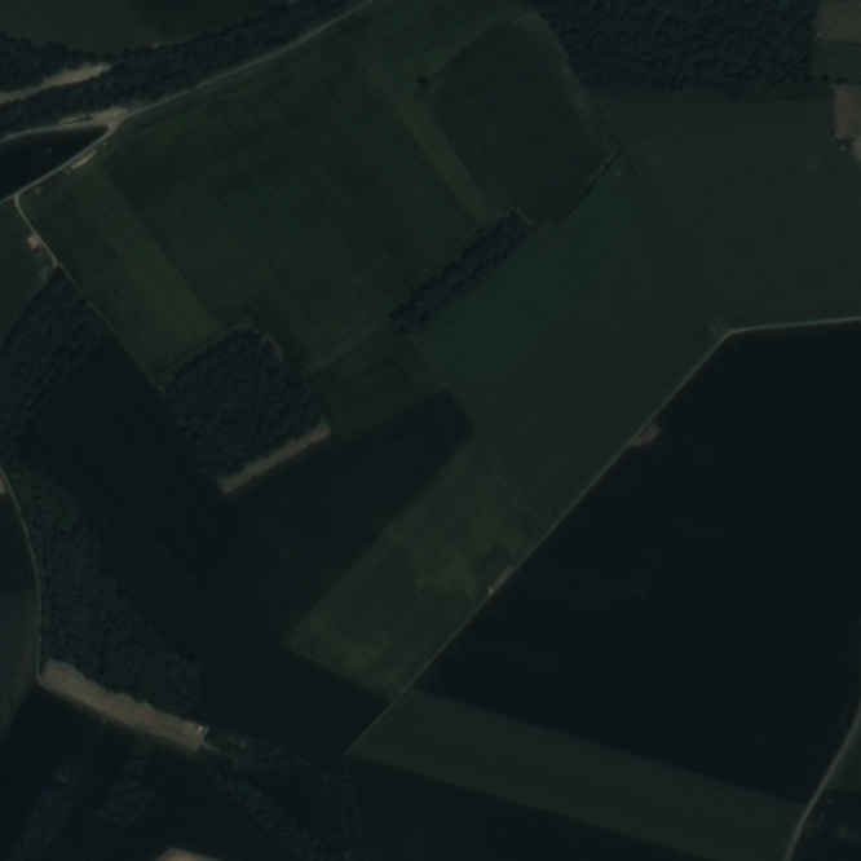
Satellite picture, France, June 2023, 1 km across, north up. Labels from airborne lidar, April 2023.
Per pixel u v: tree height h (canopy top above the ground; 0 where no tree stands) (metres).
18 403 13
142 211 0
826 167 0
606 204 0
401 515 0
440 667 0
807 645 0
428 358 0
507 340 0
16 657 0
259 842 0
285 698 0
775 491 0
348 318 0
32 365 17
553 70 0
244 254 0
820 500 0
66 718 0
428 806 0
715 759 0
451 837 0
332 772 0
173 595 0
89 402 0
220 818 0
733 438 0
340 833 0
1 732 0
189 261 0
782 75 7
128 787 20
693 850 0
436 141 0
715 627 0
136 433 0
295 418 21
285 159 0
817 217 0
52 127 0
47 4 0
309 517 0
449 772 0
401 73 0
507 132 0
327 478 0
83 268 0
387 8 0
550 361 0
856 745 0
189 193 0
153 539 0
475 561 0
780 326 0
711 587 0
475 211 0
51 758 0
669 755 0
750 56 18
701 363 0
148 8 0
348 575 0
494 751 0
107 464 0
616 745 0
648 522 0
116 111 0
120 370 0
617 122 0
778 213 0
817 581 0
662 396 0
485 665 0
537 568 0
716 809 0
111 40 0
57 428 0
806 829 0
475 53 0
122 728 0
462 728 0
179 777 0
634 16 22
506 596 0
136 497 0
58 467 0
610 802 0
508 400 0
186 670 17
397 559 0
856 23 0
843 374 0
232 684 0
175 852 0
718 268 0
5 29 0
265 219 0
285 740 0
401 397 0
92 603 15
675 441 0
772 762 0
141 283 0
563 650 0
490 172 0
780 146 0
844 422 0
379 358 0
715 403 0
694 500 0
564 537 0
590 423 0
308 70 0
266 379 26
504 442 0
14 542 0
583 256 0
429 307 16
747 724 0
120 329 0
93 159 0
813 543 0
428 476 0
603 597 0
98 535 8
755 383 0
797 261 0
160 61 16
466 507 0
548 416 0
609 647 0
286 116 0
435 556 0
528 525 0
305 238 0
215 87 0
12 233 0
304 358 0
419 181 0
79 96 15
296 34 13
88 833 0
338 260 0
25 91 0
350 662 0
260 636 0
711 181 0
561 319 0
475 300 0
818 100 0
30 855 21
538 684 0
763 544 0
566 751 0
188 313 0
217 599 0
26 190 0
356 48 0
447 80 0
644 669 0
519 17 0
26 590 0
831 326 0
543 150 0
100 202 0
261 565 0
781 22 29
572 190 0
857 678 0
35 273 0
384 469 0
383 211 0
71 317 16
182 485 0
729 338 0
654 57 20
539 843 0
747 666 0
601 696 0
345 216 0
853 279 0
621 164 0
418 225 0
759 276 0
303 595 0
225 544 0
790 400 0
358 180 0
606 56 24
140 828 0
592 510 0
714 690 0
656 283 0
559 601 0
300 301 0
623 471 0
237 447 24
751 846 0
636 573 0
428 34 0
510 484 0
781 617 0
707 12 9
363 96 0
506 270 0
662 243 0
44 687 0
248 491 0
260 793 17
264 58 0
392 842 0
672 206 0
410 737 0
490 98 0
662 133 0
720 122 0
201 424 22
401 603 0
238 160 0
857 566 0
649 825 0
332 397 0
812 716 0
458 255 0
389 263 0
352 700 0
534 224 0
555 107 0
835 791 0
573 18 22
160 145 0
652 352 0
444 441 0
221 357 16
